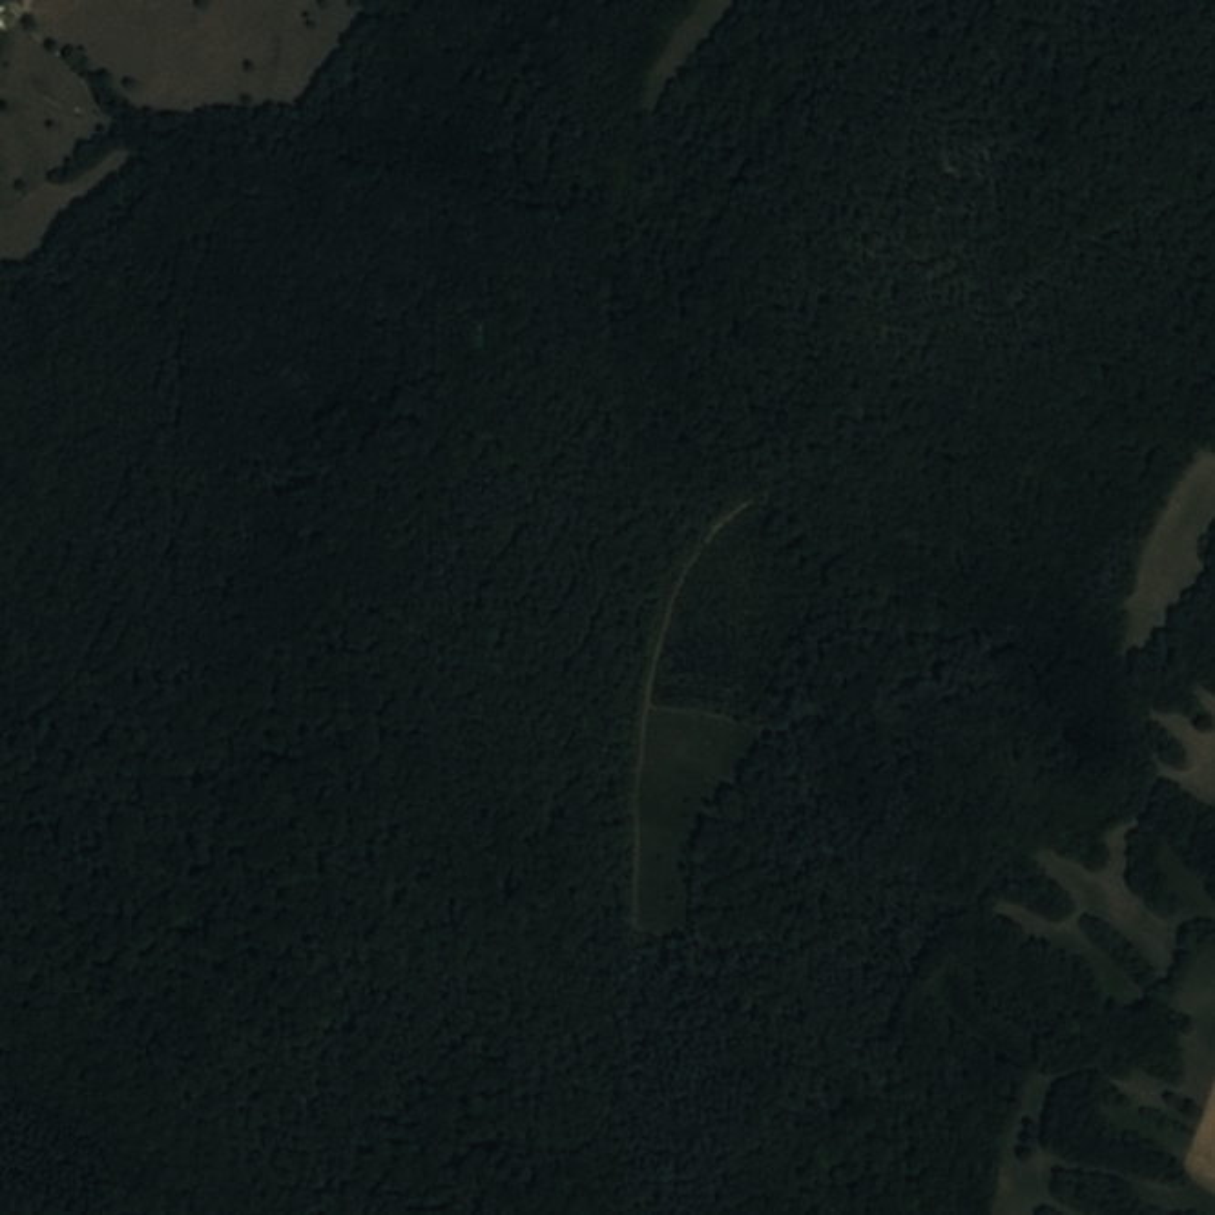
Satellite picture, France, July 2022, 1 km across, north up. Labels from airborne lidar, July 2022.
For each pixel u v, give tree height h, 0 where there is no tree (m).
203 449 20
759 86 17
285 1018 17
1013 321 14
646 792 0
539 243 22
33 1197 20
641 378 19
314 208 21
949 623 25
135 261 21
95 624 16
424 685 15
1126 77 18
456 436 18
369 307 20
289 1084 17
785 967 19
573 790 17
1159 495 19
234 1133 17
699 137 14
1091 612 18
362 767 17
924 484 17
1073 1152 18
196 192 20
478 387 20
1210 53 15
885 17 23
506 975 15
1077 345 17
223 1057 19
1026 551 22
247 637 21
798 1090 22
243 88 0
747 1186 20
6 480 20
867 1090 18
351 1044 19
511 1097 19
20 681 13
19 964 19
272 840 19
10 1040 16
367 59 13
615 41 18
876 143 16
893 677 23
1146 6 18
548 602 12
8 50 0
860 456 20
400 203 23
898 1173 21
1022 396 21
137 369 15
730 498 15
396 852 19
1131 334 20
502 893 18
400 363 19
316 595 21
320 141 22
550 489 12
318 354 20
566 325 19
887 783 25
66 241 22
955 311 14
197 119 13
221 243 21
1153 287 18
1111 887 0
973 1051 27
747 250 20
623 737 16
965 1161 21
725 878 18
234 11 0
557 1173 22
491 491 16
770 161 18
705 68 13
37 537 13
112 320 18
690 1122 22
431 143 24
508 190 16
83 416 13
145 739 22
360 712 21
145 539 17
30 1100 18
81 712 18
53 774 20
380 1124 19
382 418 14
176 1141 17
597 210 23
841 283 17
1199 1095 0
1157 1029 12
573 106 20
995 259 13
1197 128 16
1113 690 14
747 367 16
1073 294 15
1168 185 16
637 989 26
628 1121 21
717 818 17
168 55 0
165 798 19
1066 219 18
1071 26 20
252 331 20
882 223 9
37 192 0
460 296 21
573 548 13
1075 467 23
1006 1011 16
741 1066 17
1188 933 17
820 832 30
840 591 19
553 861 20
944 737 21
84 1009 18
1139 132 17
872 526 18
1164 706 11
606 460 15
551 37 10
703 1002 26
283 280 19
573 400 15
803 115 18
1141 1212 11
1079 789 9
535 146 18
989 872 18
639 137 19
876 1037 15
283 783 20
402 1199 21
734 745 0
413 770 18
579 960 18
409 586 17
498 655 16
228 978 22
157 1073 21
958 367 15
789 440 17
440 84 17
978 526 21
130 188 16
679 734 0
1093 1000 19
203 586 16
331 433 20
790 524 17
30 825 16
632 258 21
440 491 18
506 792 16
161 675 18
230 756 17
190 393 20
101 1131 19
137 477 19
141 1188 18
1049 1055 14
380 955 16
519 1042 16
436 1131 23
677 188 12
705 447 23
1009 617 29
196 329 20
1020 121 24
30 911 22
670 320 22
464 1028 16
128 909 23
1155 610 0
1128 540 26
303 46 0
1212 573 18
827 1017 19
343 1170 22
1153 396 24
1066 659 27
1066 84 20
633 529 16
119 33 0
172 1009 21
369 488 21
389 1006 19
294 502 23
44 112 0
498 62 21
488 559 11
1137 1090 0
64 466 14
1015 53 18
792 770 28
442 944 14
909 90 16
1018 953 21
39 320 22
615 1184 21
